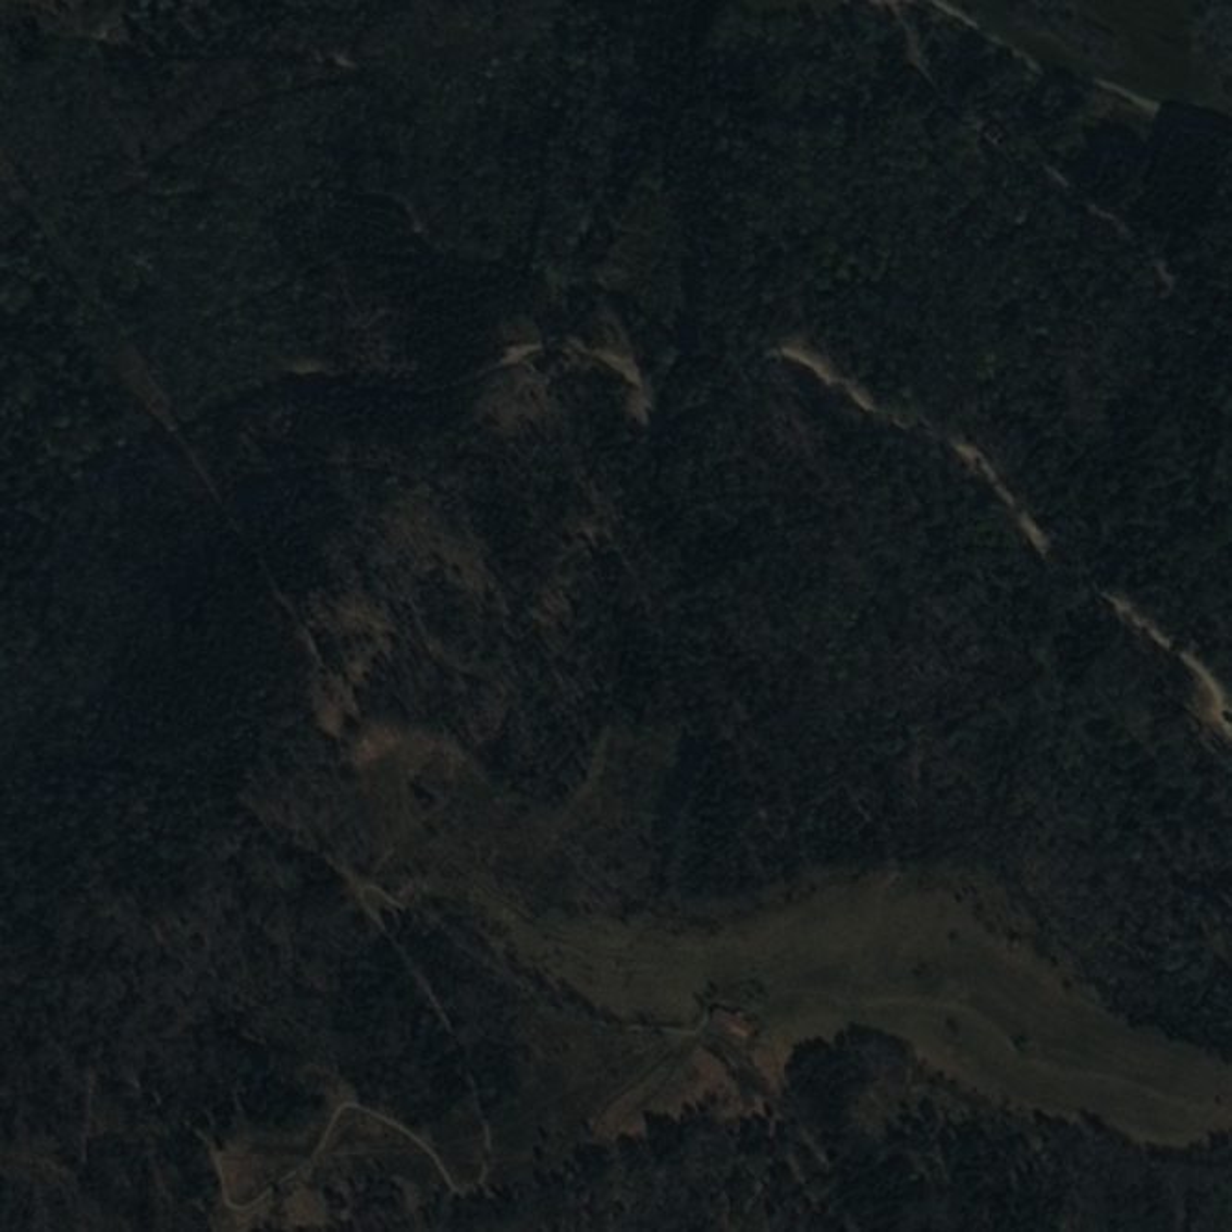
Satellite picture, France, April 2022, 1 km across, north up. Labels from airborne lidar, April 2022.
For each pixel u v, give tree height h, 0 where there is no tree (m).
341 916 21
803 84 26
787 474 30
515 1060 20
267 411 23
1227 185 29
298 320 24
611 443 31
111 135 27
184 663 23
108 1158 18
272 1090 25
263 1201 0
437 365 25
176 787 25
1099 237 28
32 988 24
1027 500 33
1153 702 29
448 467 21
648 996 0
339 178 23
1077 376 33
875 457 24
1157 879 32
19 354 33
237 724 22
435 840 20
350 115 21
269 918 21
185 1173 16
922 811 27
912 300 33
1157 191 26
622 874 11
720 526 28
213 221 23
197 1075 19
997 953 0
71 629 12
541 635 31
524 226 21
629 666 33
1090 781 37
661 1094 0
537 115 20
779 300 29
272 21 9
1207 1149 14
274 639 27
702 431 14
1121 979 18
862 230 31
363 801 27
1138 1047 0
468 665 33
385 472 24
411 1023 20
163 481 27
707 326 34
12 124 23
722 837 35
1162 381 36
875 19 19
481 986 20
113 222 24
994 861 26
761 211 27
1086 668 27
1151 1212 20
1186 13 0
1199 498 19
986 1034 0
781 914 0
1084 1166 19
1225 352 32
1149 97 0
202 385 25
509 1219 20
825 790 30
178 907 24
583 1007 20
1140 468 30
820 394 36
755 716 30
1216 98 0
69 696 24
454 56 25
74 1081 14
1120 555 23
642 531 29
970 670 31
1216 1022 26
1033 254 30
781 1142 13
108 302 21
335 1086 11
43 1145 17
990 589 25
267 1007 13
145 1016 21
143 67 23
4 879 26
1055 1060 0
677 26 28
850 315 21
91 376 31
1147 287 25
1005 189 30
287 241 24
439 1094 21
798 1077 20
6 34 22
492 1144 0
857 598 28
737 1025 9
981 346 27
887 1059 22
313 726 30
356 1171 0
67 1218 18
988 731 34
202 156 23
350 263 24
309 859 14
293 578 24
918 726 22
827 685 24
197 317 21
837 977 0
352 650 20
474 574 0
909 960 0
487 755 24
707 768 36
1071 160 13
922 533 33
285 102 23
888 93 34
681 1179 28
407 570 13
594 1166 23
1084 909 33
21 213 31
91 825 21
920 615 26
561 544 31
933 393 33
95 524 24
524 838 10
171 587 26
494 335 25
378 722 19
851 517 23
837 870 13
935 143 25
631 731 26
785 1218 29
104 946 23
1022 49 0
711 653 32
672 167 29
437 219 29
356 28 13
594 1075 0
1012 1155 23
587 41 15
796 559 25
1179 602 24
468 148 24
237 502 21
